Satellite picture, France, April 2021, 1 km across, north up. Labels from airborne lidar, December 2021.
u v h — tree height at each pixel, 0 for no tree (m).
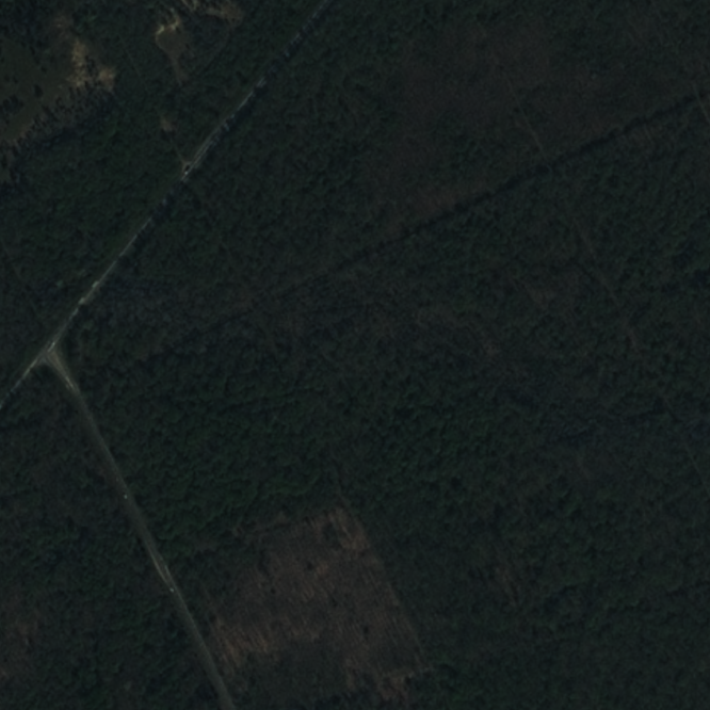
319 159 23
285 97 23
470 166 23
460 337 7
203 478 24
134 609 26
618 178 26
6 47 0
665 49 24
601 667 31
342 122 18
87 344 20
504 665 28
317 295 14
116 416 28
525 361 10
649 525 29
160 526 23
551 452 28
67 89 0
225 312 6
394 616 10
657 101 14
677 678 29
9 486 27
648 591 25
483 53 19
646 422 22
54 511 23
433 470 27
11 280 16
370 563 13
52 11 12
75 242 21
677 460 29
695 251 25
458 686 29
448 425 22
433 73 17
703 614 25
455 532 30
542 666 31
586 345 22
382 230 17
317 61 27
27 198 20
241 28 6
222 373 27
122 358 23
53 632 24
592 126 15
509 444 30
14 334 20
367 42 24
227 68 17
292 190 19
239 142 25
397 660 14
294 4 14
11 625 21
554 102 15
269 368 24
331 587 13
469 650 25
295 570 12
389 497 31
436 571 31
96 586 24
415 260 28
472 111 19
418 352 19
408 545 31
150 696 24
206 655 0
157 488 27
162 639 25
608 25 16
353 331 27
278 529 13
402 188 18
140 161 24
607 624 28
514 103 14
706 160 26
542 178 27
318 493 19
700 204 26
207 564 17
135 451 28
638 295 23
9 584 14
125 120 22
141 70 15
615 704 28
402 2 16
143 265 22
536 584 35
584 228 27
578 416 18
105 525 25
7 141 0
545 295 27
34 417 6
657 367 22
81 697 26
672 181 27
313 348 27
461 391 25
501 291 31
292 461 24
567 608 16
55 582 21
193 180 15
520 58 14
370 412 30
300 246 25
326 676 16
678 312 27
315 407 21
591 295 27
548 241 27
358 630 11
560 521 28
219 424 24
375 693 33
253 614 14
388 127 21
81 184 21
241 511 21
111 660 27
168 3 13
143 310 30
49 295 22
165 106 19
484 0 21
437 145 15
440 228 17
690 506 32
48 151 20
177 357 17
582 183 28
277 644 12
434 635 29
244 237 24
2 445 22
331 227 29
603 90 16
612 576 24
